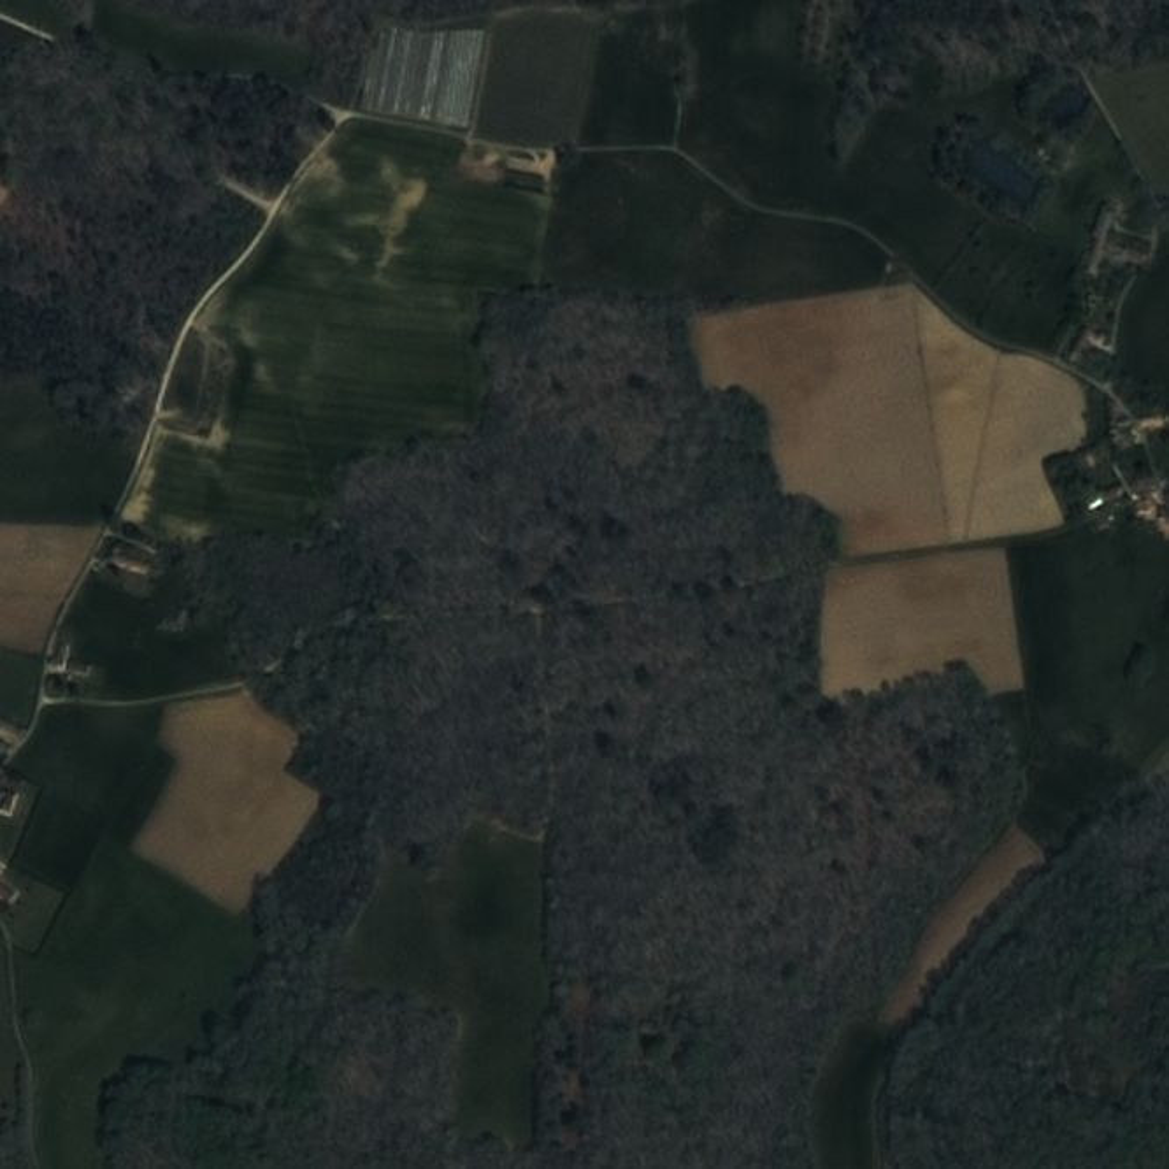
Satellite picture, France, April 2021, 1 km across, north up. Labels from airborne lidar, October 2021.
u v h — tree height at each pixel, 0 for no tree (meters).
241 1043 16
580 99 0
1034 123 14
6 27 0
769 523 17
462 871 0
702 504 17
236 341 0
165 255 6
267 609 15
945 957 0
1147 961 21
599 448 23
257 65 0
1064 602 0
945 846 18
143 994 0
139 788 0
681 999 13
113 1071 0
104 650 0
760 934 12
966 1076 23
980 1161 19
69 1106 0
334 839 7
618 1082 21
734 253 0
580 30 0
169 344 16
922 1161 16
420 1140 14
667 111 0
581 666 15
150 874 0
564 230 0
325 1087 17
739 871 16
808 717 8
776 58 0
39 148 25
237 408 0
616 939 13
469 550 15
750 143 0
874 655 0
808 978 11
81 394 17
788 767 15
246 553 13
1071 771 0
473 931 0
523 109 0
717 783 16
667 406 20
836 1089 0
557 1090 7
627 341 17
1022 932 13
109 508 0
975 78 14
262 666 10
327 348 0
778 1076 18
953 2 12
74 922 0
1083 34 23
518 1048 0
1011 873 0
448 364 0
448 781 16
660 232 0
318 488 0
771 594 12
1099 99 0
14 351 11
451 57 0
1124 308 0
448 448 14
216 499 0
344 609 13
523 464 12
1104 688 0
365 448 0
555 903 14
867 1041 0
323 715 19
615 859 16
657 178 0
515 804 10
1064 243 0
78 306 8
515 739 16
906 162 0
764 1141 16
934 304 0
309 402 0
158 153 17
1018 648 0
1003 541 0
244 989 14
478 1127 0
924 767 15
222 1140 22
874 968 13
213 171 15
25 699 0
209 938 0
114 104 20
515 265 0
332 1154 15
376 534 20
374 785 13
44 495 0
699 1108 22
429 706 20
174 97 17
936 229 0
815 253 0
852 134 17
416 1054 16
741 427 21
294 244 0
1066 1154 24
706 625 15
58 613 0
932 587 0
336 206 0
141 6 6
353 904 14
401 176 0
